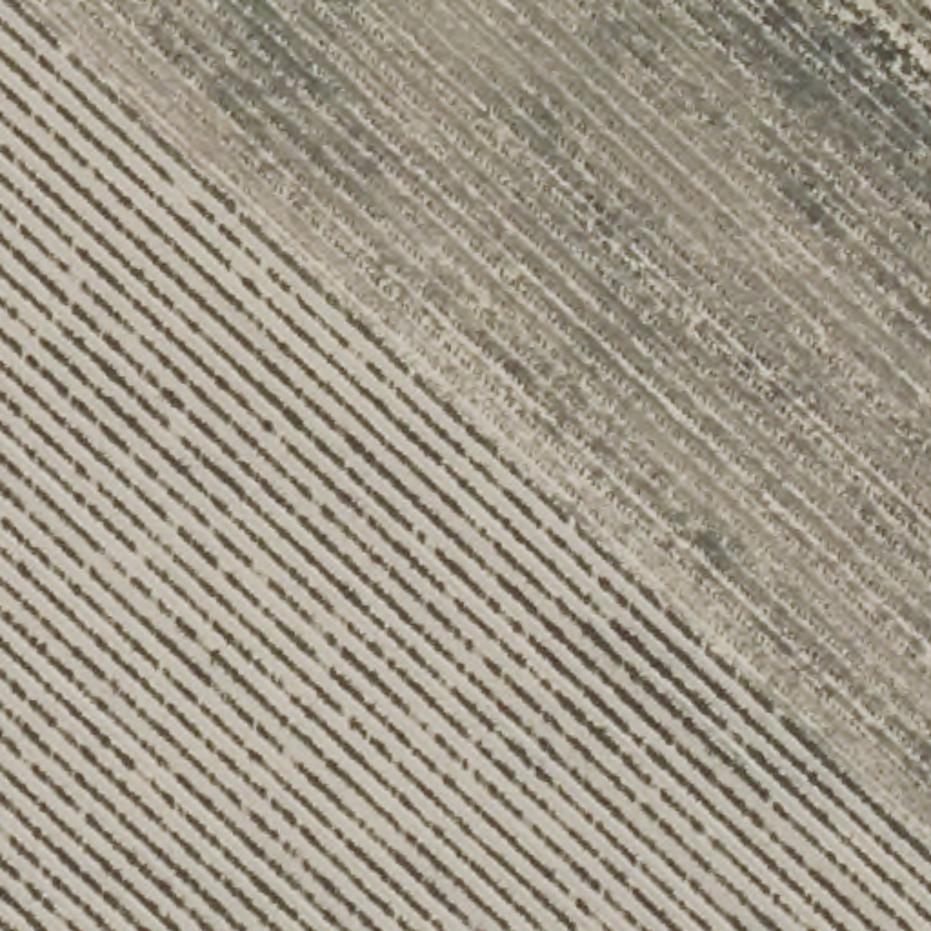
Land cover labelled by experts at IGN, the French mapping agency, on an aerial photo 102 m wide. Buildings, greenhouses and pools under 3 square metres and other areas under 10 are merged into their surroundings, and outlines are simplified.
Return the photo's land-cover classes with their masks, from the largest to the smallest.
<instances>
[{"label":"vineyard","instance_id":"1","mask_svg":"<svg viewBox=\"0 0 931 931\"><path fill-rule=\"evenodd\" d=\"M0 931H931V0H0Z\"/></svg>","mask_w":931,"mask_h":931}]
</instances>
